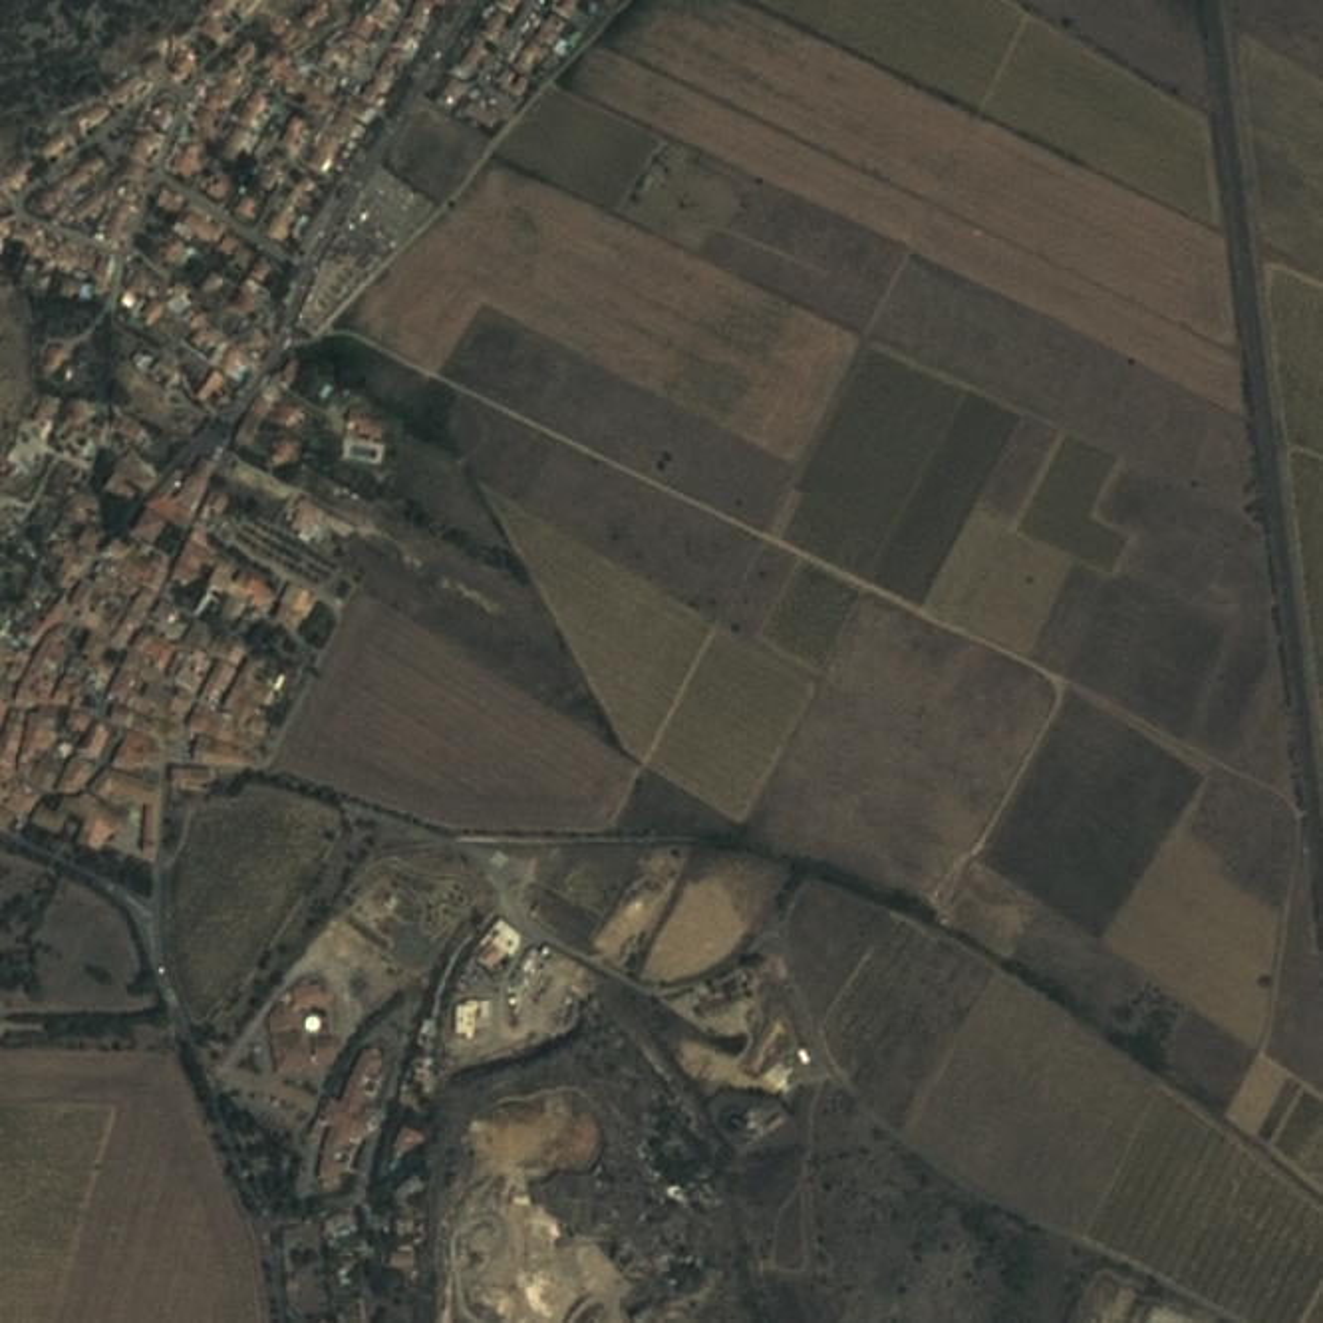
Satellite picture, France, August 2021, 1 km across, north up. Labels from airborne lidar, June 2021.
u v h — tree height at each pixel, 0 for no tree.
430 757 0
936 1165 0
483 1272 0
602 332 0
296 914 0
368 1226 8
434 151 0
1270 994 0
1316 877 0
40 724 0
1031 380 0
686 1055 0
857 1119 0
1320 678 0
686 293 0
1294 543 0
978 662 0
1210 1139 0
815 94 0
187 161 0
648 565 0
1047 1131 0
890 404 0
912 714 0
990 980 0
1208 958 0
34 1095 0
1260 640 0
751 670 0
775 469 0
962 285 0
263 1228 0
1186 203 0
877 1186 0
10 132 0
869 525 0
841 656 0
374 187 0
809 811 0
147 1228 0
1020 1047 0
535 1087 0
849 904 0
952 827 0
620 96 0
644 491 0
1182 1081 0
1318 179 0
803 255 0
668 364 0
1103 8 0
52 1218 0
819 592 0
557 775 0
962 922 0
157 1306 0
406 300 0
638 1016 0
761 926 0
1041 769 0
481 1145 0
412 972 0
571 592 0
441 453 0
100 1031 10
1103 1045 0
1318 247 0
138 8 0
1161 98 0
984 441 0
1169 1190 0
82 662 0
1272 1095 0
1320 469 0
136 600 0
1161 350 0
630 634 0
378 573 0
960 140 0
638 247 0
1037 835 0
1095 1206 0
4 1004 0
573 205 0
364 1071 0
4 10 0
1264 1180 0
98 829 0
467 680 0
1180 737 0
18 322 0
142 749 0
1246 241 0
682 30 0
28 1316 0
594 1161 0
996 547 0
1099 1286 0
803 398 0
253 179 10
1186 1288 0
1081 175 0
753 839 0
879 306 0
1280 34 0
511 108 0
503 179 0
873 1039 0
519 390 0
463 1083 0
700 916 0
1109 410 0
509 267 0
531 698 0
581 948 0
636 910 0
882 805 0
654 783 0
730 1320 0
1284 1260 0
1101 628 0
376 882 0
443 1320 0
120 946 0
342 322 0
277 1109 0
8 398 0
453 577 0
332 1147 0
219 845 0
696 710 0
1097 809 0
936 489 0
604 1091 0
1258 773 0
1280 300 0
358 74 0
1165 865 0
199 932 0
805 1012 0
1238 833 0
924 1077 0
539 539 0
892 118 0
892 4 0
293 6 0
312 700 0
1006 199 0
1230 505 0
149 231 9
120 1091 0
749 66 0
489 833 6
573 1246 0
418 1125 9
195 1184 0
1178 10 0
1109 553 0
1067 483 0
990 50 0
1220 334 0
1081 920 0
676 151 0
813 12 0
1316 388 0
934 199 0
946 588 0
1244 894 0
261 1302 0
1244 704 0
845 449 0
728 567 0
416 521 6
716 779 0
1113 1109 0
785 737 0
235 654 0
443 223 0
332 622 6
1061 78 0
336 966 0
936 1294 0
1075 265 0
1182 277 0
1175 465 0
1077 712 0
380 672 0
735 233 0
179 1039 6
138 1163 0
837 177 0
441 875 0
